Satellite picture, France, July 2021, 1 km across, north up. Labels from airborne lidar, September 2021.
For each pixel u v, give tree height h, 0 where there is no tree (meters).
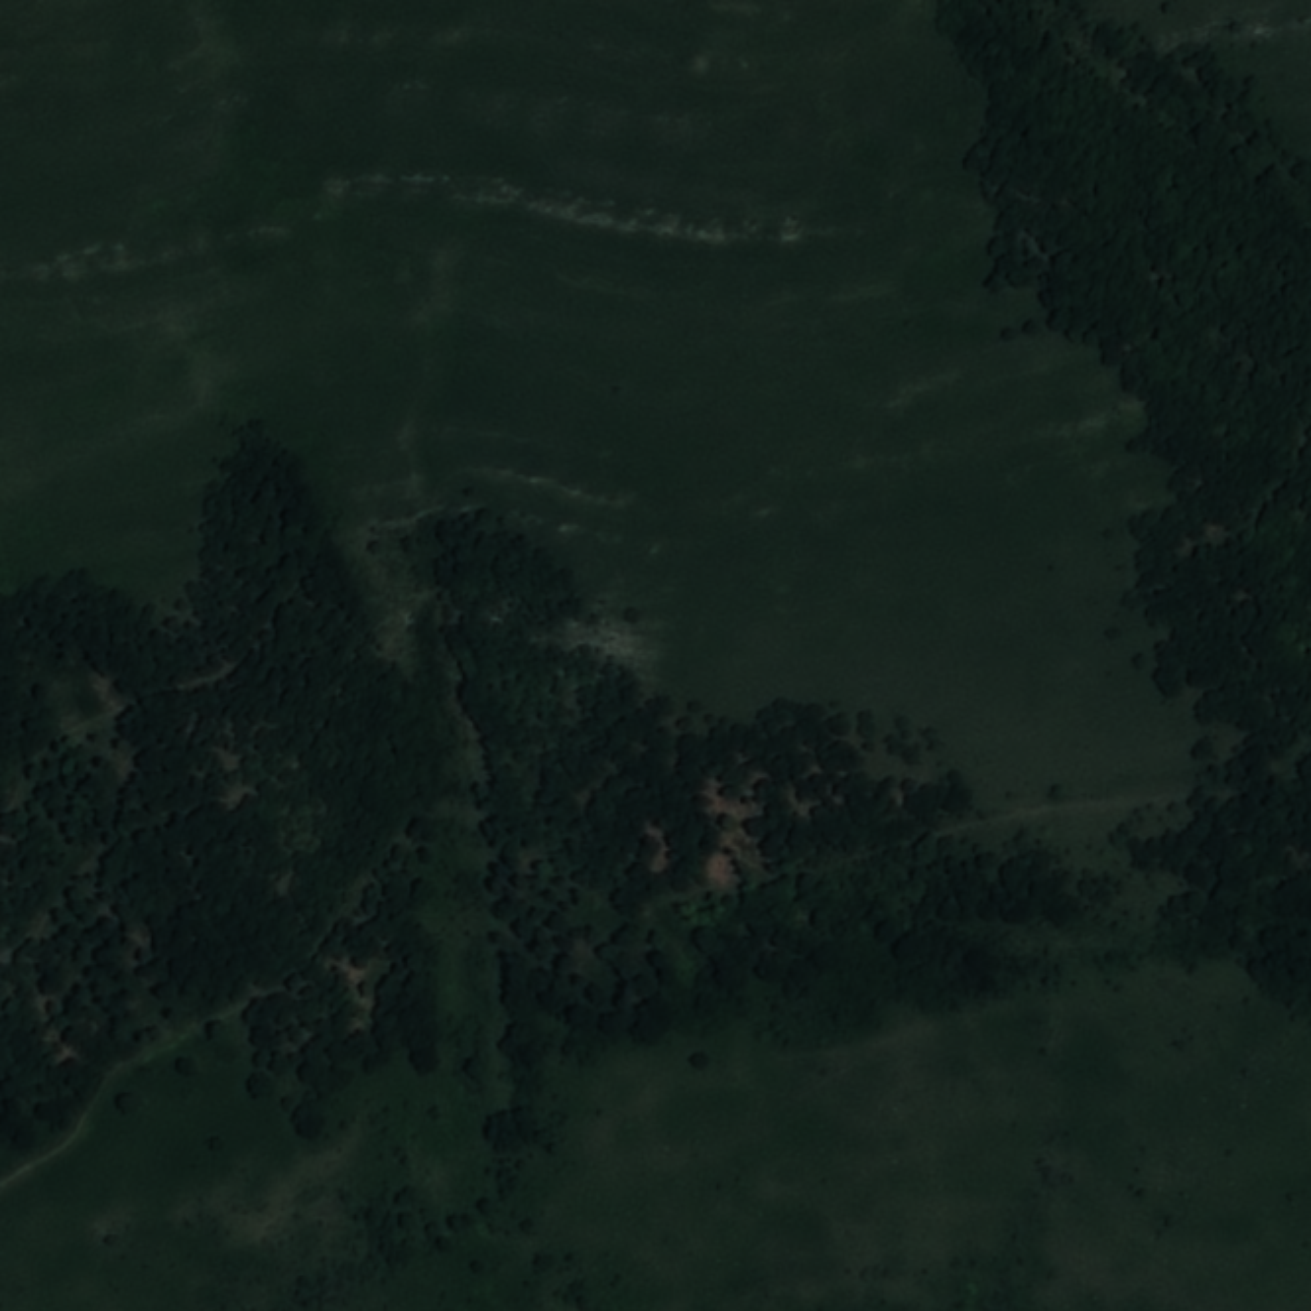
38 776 31
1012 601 0
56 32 0
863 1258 0
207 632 19
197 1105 0
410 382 0
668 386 0
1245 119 17
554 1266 11
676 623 0
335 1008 19
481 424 0
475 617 15
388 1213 6
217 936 26
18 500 0
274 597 24
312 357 0
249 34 0
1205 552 19
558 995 18
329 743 20
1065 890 9
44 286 0
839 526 0
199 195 0
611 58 0
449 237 0
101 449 0
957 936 11
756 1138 0
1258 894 10
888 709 0
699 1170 0
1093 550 0
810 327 0
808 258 0
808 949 26
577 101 0
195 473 0
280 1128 0
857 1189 0
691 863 24
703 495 0
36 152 0
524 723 14
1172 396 19
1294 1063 0
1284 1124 0
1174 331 21
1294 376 18
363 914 21
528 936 26
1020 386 0
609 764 20
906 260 0
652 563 0
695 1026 9
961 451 0
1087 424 0
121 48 0
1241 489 17
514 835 21
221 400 0
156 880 29
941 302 0
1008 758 0
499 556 11
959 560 0
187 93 0
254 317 0
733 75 0
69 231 0
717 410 0
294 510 25
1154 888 6
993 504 0
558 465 0
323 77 0
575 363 0
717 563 0
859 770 16
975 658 0
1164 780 0
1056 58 26
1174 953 7
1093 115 21
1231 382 18
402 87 0
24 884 22
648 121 0
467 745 6
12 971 17
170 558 0
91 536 0
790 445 0
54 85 0
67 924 28
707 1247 0
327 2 0
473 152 0
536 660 10
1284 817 20
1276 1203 0
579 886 18
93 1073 26
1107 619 0
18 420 0
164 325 0
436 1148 0
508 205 0
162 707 24
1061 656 0
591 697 16
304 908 17
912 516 0
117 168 0
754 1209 0
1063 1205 0
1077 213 25
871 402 0
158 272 0
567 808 15
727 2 0
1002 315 0
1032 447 0
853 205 0
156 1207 0
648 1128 0
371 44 0
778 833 23
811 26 0
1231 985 0
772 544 0
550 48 0
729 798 23
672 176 0
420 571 13
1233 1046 0
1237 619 20
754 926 25
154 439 0
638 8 0
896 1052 0
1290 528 24
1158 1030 0
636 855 27
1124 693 0
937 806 14
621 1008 22
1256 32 0
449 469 0
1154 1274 0
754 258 0
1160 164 20
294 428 0
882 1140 0
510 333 0
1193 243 26
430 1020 30
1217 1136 0
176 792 25
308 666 23
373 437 0
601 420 0
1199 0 0
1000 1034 0
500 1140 20
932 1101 0
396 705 26
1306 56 0
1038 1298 0
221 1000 17
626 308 0
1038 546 0
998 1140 0
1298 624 20
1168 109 20
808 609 0
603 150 0
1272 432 19
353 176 0
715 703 0
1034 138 25
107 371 0
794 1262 0
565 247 0
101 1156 0
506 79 0
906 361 0
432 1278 0
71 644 28
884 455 0
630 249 0
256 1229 0
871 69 0
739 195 0
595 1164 0
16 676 25
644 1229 0
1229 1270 0
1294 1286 0
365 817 22
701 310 0
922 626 0
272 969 27
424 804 23
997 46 25
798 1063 0
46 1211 0
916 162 0
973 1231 0
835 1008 7
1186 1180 0
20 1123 13
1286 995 8
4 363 0
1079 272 26
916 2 0
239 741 11
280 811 14
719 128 0
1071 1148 0
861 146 0
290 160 0
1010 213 16
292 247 0
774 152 0
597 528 0
